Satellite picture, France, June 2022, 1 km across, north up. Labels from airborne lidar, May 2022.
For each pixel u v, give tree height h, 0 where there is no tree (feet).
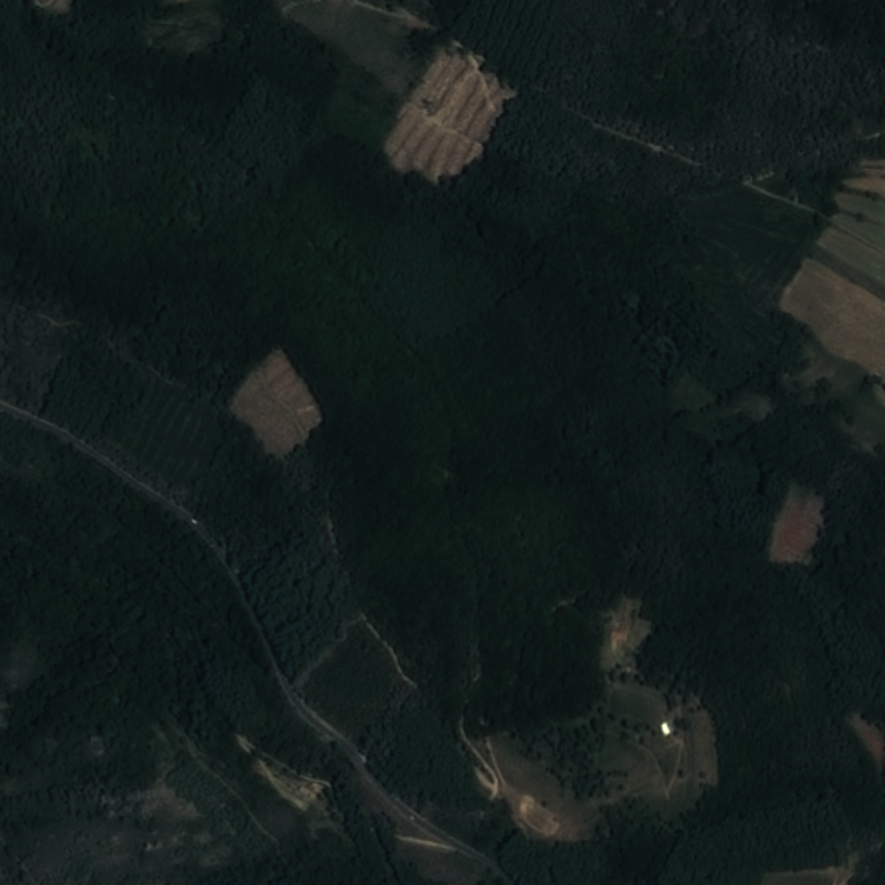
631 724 52
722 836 115
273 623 75
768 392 24
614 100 38
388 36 0
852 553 71
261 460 34
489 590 60
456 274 47
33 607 44
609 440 62
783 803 88
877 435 0
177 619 44
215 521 36
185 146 57
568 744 60
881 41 59
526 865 100
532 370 48
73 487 40
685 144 39
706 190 48
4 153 37
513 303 72
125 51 74
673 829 51
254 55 64
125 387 32
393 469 85
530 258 68
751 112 47
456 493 65
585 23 58
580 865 55
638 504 58
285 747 39
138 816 24
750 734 48
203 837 0
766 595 68
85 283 59
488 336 50
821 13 55
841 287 0
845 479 25
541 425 71
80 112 32
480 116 0
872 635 100
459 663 61
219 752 28
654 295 80
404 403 63
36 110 33
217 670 86
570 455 77
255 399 0
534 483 59
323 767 24
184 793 30
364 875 27
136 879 33
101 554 37
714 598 54
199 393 43
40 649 33
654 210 46
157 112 46
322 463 52
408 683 20
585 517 38
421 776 75
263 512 48
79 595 53
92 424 91
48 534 29
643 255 62
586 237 70
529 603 57
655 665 35
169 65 82
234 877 37
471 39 66
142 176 43
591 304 85
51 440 49
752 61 37
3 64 54
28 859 29
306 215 72
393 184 89
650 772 0
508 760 0
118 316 50
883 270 0
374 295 40
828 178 55
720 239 0
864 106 29
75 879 31
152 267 58
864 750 53
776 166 31
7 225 37
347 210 58
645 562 49
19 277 36
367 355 56
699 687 43
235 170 52
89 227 56
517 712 59
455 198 75
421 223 50
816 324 0
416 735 62
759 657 53
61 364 31
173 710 52
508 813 31
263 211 68
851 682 124
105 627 49
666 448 69
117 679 51
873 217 0
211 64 71
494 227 81
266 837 37
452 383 42
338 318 51
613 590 43
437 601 45
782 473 84
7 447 90
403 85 0
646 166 64
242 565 49
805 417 46
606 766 0
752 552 104
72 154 49
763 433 62
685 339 75
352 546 51
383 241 42
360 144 73
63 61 53
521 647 36
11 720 44
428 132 0
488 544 47
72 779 36
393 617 35
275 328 78
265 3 18
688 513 46
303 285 50
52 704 89
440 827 27
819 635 85
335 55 49
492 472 51
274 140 97
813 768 58
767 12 21
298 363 72
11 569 86
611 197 41
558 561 52
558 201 38
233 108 69
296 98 76
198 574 59
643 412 74
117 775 52
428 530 59
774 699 67
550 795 0
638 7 50
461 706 55
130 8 46
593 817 0
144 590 48
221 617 36
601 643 49
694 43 28
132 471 39
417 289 21
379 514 60
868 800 33
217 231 49
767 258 0
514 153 80
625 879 60
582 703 75
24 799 24
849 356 0
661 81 30
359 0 50
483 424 44
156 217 49
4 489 39
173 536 51
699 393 0
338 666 22
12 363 62
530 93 81
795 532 0
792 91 44
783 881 0
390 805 0
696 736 0
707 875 120
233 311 54
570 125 67
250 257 52
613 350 88
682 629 52
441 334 56
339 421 68
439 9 53
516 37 79
